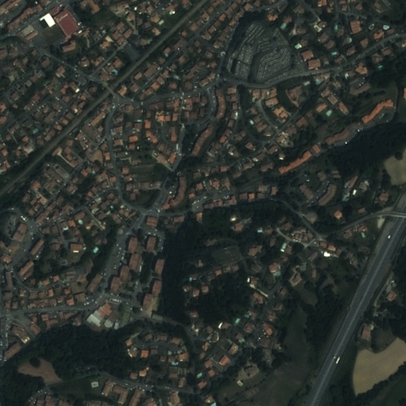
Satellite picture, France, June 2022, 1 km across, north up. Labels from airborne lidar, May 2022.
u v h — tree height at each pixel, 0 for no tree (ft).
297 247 68
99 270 55
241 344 27
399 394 0
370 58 38
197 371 18
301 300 34
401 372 63
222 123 29
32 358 44
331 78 38
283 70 0
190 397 30
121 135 0
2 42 26
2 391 88
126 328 53
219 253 0
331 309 51
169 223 22
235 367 46
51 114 0
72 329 79
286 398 0
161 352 0
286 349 32
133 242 0
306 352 0
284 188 25
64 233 41
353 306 0
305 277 60
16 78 21
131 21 17
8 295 0
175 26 0
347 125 35
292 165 0
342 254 39
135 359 42
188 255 69
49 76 86
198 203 0
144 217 0
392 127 59
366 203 50
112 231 38
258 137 45
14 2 0
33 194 20
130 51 0
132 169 0
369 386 0
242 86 41
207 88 0
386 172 28
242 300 57
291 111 21
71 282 0
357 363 0
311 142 18
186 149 47
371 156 91
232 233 34
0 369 57
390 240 0
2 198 0
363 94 46
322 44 22
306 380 0
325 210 87
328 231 71
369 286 0
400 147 33
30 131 22
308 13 32
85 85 21
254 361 38
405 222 0
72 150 0
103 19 0
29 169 0
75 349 73
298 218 92
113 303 0
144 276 54
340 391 71
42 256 21
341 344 0
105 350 85
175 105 0
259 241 74
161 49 27
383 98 0
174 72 30
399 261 45
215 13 0
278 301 18
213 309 73
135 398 0
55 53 58
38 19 0
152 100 0
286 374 0
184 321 57
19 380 83
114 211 32
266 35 0
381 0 0
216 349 0
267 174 27
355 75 21
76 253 0
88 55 33
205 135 0
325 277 99
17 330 0
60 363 95
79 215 0
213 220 29
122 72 31
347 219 50
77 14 52
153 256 38
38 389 54
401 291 30
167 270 69
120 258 0
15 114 35
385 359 0
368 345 0
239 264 32
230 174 40
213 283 52
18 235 0
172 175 44
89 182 33
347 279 35
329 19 52
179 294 45
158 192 20
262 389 0
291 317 31
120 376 80
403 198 0
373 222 0
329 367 0
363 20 24
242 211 58
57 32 0
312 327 66
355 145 95
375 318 28
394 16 0
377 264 0
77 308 0
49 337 76
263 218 56
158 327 23
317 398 0
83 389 0
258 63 0
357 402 39
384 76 98
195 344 25
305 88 0
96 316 0
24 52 0
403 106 0
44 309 0
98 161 24
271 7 0
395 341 0
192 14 0
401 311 51
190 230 89
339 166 54
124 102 0
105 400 42
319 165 0
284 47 0
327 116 0
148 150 42
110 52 25
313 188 25
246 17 56
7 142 39
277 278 24
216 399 46
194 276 0
